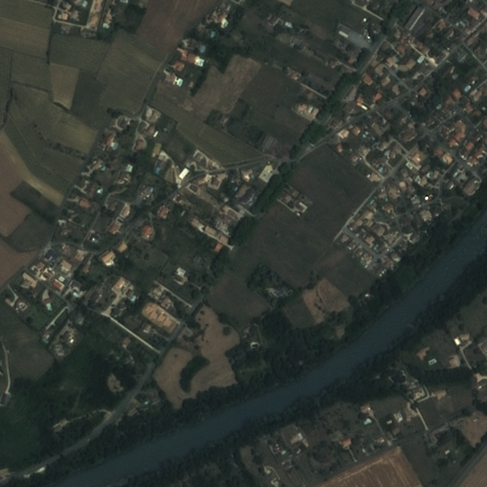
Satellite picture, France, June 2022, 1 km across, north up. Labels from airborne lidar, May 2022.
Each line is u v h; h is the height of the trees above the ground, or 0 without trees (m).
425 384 22
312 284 7
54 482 32
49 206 0
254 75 0
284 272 0
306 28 11
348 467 0
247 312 0
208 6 0
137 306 16
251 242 0
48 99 0
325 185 0
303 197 0
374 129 0
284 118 0
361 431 0
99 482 0
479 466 0
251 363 16
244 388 19
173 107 0
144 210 7
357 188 0
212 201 0
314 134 21
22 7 0
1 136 0
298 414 19
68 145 0
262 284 20
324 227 0
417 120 15
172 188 7
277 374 28
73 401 14
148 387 13
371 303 6
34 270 0
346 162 0
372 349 0
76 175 0
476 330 0
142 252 12
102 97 0
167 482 10
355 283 0
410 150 0
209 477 16
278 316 16
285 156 0
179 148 0
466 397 0
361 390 27
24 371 0
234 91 0
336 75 0
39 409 19
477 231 0
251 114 0
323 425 7
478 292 10
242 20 10
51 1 12
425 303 0
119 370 17
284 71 6
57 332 6
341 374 0
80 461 18
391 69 0
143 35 0
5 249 0
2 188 0
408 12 23
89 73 0
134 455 0
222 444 10
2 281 0
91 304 14
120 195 7
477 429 0
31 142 0
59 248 0
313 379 0
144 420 19
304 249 0
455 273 0
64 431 14
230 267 23
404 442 0
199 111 0
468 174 10
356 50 0
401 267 8
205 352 0
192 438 0
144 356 11
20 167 0
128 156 9
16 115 0
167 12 0
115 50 0
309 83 7
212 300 0
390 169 0
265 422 11
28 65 0
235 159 0
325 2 0
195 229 8
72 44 0
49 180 0
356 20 0
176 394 0
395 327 0
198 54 8
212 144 0
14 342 0
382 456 0
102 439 17
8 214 0
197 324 6
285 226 0
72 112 0
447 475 0
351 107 0
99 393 12
